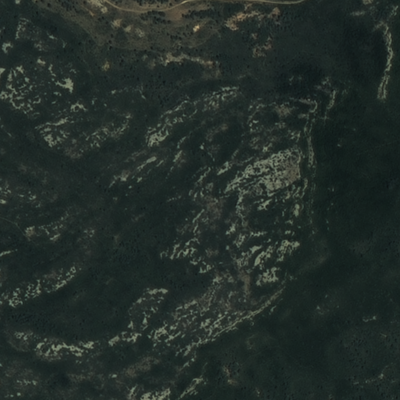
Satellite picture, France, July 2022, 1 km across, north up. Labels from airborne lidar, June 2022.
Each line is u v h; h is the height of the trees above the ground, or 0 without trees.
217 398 0
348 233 6
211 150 0
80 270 0
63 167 9
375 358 0
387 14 6
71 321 0
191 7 0
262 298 0
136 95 0
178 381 0
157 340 0
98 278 6
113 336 0
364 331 6
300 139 6
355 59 5
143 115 0
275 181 0
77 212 0
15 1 0
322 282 6
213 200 0
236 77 0
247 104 0
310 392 7
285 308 0
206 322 0
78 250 0
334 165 7
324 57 0
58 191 0
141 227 0
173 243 0
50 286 0
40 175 0
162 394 0
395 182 7
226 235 0
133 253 6
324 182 6
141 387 0
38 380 0
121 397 0
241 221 0
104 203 0
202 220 0
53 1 0
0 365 0
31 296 0
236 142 0
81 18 0
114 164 0
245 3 0
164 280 6
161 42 0
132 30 0
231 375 10
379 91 0
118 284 0
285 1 0
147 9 0
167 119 0
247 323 0
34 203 0
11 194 0
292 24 10
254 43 8
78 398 0
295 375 0
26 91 0
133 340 0
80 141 0
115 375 0
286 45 0
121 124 0
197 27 0
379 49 6
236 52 0
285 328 0
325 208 6
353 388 6
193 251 0
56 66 0
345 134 10
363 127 6
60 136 0
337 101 7
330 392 0
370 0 0
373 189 7
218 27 0
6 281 0
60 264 0
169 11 0
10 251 0
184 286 9
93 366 0
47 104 0
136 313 0
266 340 0
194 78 6
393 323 0
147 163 0
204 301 0
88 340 0
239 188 0
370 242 6
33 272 0
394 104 5
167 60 0
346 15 7
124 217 0
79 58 9
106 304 0
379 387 12
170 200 0
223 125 0
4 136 0
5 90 0
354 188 5
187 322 0
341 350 0
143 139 0
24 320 11
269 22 8
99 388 0
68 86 0
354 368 7
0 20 10
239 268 0
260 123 0
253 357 0
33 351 0
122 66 8
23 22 0
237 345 0
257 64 0
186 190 0
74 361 0
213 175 0
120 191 0
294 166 0
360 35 6
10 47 0
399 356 0
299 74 7
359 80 7
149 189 0
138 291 0
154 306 0
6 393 0
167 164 0
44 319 6
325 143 8
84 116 0
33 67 0
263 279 0
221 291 0
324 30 7
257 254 0
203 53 0
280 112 0
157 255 0
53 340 0
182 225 0
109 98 0
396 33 5
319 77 8
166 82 14
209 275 0
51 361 0
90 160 0
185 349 0
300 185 6
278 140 0
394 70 8
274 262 0
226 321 0
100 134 0
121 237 0
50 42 0
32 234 0
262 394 11
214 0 0
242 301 0
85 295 0
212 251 0
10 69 0
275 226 0
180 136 0
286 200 0
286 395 10
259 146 0
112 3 0
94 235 0
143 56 0
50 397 0
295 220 0
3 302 0
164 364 0
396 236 6
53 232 0
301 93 7
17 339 0
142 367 0
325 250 9
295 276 0
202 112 0
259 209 0
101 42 0
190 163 0
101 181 0
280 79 6
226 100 0
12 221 0
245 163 0
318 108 7
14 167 0
